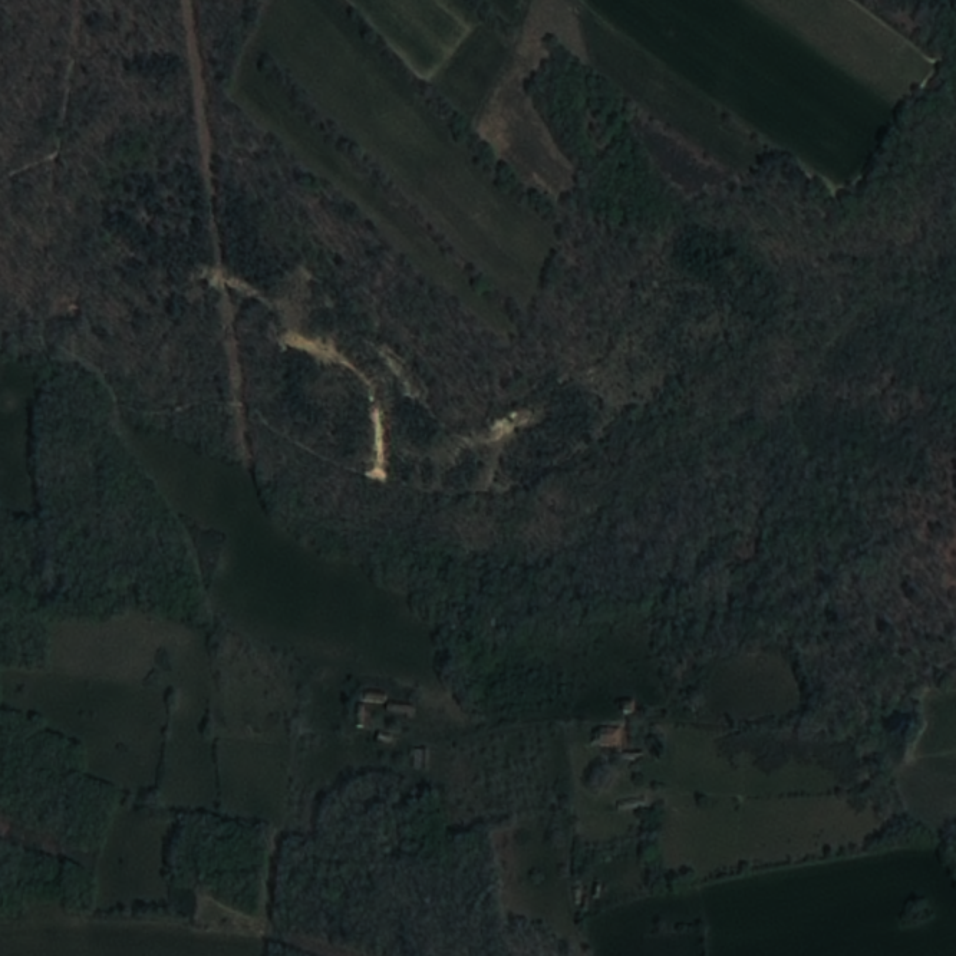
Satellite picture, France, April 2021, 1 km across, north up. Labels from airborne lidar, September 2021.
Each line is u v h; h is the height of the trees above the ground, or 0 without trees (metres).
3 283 18
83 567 26
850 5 0
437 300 18
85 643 0
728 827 0
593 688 0
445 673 21
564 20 0
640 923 0
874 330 9
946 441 9
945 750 0
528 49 0
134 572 21
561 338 17
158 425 19
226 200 18
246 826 11
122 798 12
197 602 24
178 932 0
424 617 16
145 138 13
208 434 15
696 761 0
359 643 0
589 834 0
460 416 11
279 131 0
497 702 7
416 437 11
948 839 15
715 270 10
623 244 19
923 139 21
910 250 13
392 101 0
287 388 10
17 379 0
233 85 11
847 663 12
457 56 0
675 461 18
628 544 15
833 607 8
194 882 18
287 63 0
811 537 21
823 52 0
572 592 9
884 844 18
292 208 18
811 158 0
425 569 24
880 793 17
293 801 6
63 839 18
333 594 0
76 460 17
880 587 19
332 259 16
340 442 8
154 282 14
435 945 23
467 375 19
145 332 12
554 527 23
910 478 7
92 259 18
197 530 7
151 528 21
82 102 6
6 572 21
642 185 16
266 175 15
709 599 23
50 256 17
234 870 24
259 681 0
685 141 0
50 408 16
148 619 13
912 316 19
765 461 20
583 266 13
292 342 0
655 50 0
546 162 0
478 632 24
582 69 13
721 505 15
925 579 13
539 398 12
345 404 8
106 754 0
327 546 17
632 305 8
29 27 14
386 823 17
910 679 15
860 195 14
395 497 15
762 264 15
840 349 11
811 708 15
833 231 18
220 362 12
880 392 9
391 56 10
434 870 22
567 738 0
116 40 12
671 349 8
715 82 0
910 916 7
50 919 0
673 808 0
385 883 21
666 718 8
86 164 12
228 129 16
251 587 0
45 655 17
